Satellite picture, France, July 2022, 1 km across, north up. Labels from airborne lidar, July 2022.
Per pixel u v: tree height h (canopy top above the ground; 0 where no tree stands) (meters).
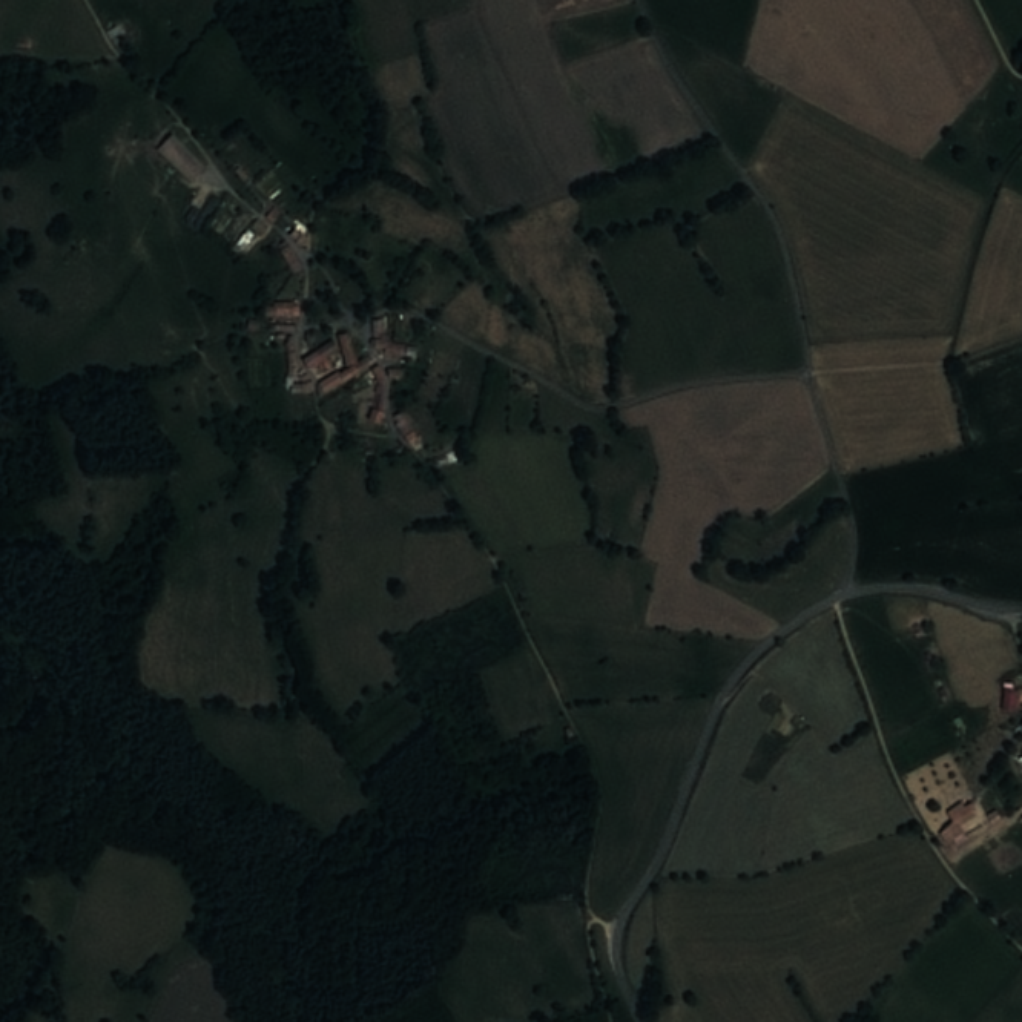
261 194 0
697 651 0
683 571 0
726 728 0
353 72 22
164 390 0
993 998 0
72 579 32
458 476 0
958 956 0
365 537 0
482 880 22
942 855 0
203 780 27
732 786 0
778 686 0
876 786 0
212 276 0
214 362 0
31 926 22
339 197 19
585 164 0
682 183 0
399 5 0
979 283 0
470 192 0
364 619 0
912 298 0
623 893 0
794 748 0
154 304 0
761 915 0
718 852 0
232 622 0
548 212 0
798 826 0
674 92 0
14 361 8
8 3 0
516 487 0
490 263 7
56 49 0
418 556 0
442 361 0
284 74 18
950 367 15
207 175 0
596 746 0
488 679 0
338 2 11
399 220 0
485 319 0
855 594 0
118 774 29
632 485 0
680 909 0
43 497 13
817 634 0
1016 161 0
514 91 0
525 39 0
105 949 0
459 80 0
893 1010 0
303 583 14
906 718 0
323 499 0
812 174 0
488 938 0
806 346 0
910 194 0
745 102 0
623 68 0
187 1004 0
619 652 0
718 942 0
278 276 6
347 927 17
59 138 16
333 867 21
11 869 25
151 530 10
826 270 0
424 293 0
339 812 0
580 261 0
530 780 8
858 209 0
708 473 0
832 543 0
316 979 20
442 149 8
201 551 0
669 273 0
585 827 9
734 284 0
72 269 0
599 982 7
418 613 0
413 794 17
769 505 0
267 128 0
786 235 0
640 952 0
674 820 0
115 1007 0
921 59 0
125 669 16
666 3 0
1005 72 0
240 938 24
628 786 0
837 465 0
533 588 0
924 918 0
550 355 0
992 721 0
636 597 0
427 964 9
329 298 16
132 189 0
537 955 0
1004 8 0
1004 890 0
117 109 0
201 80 0
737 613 0
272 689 0
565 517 0
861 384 0
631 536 0
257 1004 20
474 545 9
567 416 0
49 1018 16
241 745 0
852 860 0
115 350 0
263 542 0
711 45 0
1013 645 0
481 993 0
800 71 0
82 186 0
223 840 24
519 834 15
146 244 0
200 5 0
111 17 0
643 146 0
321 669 0
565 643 0
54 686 31
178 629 0
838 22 0
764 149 0
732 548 0
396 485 0
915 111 0
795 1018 0
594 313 0
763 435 0
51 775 29
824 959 0
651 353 0
